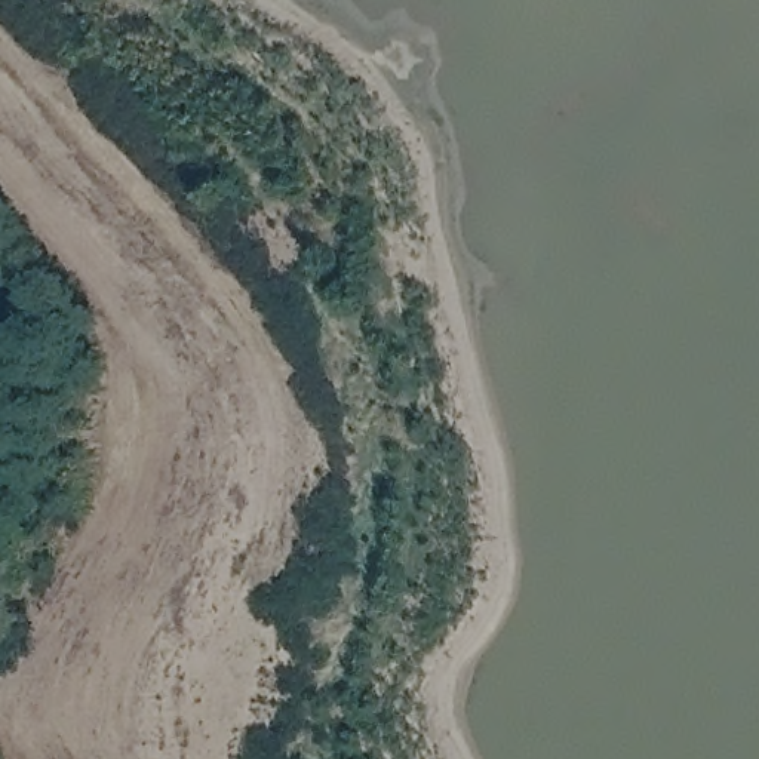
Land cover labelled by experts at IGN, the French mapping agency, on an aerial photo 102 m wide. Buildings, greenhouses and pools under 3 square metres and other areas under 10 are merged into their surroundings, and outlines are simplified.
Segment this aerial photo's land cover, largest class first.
<instances>
[{"label":"water","instance_id":"1","mask_svg":"<svg viewBox=\"0 0 759 759\"><path fill-rule=\"evenodd\" d=\"M371 21H380L388 12L403 9L415 24L436 33L442 50L436 86L457 133L460 166L465 181V205L460 216L463 240L468 252L492 270V285L483 288L480 314L471 326V335L510 465L519 575L510 611L498 626L495 637L477 655L465 694V735L477 759H759V0H353Z\"/></svg>","mask_w":759,"mask_h":759},{"label":"plowed land","instance_id":"2","mask_svg":"<svg viewBox=\"0 0 759 759\"><path fill-rule=\"evenodd\" d=\"M6 193L12 199L15 211L27 216L33 234L47 246V252L56 255L59 264L80 279L92 302V338L104 356L101 388L107 394L110 454L104 460V477L92 489V510L80 522L77 534L59 543L53 584L42 596V605L27 611L30 652L18 658L15 670L0 676V759H237L246 726L273 720L282 700V691L276 688V667L288 664L291 655L285 646H279L273 626L252 617L249 593L252 587L270 581L276 572L285 569V560L296 537L294 501L317 486L314 468L329 465L326 448L320 442V433L311 427L305 412L294 400V391L288 385L291 365L267 335L261 314L252 308L249 294L228 270H222L213 261L202 240L181 222L172 202L151 181H145V175L127 160V154H122L107 136H101L92 127V122L74 101L68 77L53 65L33 59L0 27V196Z\"/></svg>","mask_w":759,"mask_h":759},{"label":"deciduous trees","instance_id":"3","mask_svg":"<svg viewBox=\"0 0 759 759\"><path fill-rule=\"evenodd\" d=\"M65 12H83L80 30L86 33V44L74 47L65 42L59 47V62L53 65L68 77L74 65L89 59L127 74L133 92H142L148 101L145 116L154 122L157 139L169 142V163H196L208 178L190 193L196 211L219 208L246 211L249 216L258 213L270 199L288 202L299 193L311 199L320 193L305 175L299 154L294 148L296 130L302 127L299 116L273 101L270 92L261 89L240 65L219 62L213 68L193 59L190 50H181L187 44V33H181L178 27H163L145 12H125L122 6H113L107 0H71L65 3ZM92 302L80 279L59 264L56 255L47 252V246L33 234L27 216L15 211L12 199L6 193L0 196V676L15 670L18 658L30 652L27 611L42 605V596L53 584L59 543L77 534L80 522L92 510V495L83 486L71 483L95 454L80 442V427H86L89 421V415L83 412L86 394L101 388L104 356L92 338ZM377 199L344 196L335 222V243H323L320 237H314V246L308 252L296 249V258L282 270L302 285L314 282L335 317H359L362 338L377 362L380 391L368 397L371 409H382L388 415L403 418L406 406H418L421 385H442L445 362L439 359L433 326L427 320V308L439 302V296L424 282L403 273V311L377 314V299L391 296L388 273L382 264L385 240L377 231ZM418 442V451H403L400 445L382 451V471L374 477L371 489L374 528L365 534H353L356 572L350 575L362 578L359 617L353 620V629L344 640L341 676L335 682L317 685L314 697L302 703L305 717L299 720V732H308L314 744H329L335 759H382L368 750L362 753L356 741L359 732L371 735L394 723V709L377 715L368 703L374 697V667L388 664L397 655V640L380 632L377 623L385 614H397L406 623H415L409 637L421 643L427 652H433L445 640L451 626V590L457 584L471 581V543L477 540V525L468 519V504L477 501V474L471 468L465 439L448 424L433 421V415L421 418L415 427L406 430Z\"/></svg>","mask_w":759,"mask_h":759},{"label":"brushwood","instance_id":"4","mask_svg":"<svg viewBox=\"0 0 759 759\"><path fill-rule=\"evenodd\" d=\"M65 3L71 0H0V27L33 59L53 65L59 62V47L65 42L74 47L86 44V33L80 30L83 12H65ZM113 6H122L125 12H145L163 27H178L181 33H187V44L181 50H190L193 59L213 68L219 62L240 65L261 89L270 92L273 101L299 116L302 127L296 130L294 148L299 154L305 175L320 193L311 199L299 193L288 202L285 228L296 240V249L308 252L314 246V237H320L323 243H335V222L344 196L377 199V231H397L406 222V216L418 208V169L406 154V145L400 142V133L388 125L385 110L377 104V95H368L362 77L347 74L323 44L305 39L291 24L273 21L252 0H107ZM74 101L92 122V127L101 136H107L122 154H127V160L145 175V181H151L172 202L181 222L202 240L213 261L222 270H228L249 294L252 308L261 314L267 335L291 365L288 385L294 391V400L305 412L311 427L320 433V442L326 448L329 465L314 468L317 486L294 501L296 537L285 560V569L276 572L270 581L252 587L249 593L252 617L273 626L279 646H285L291 655L288 664L276 667V688L282 691V700L273 720L246 726L237 759H302L299 753L285 750V744L299 732V720L305 717L302 703L314 697L317 685L314 676L326 664L329 649L311 637V626L314 620H326L335 611L341 599V578L350 575L356 572L353 534V492L347 483V457L353 454V448L341 436V418L347 415V403L335 397V388L326 377V365L320 356V320L302 285L282 270L270 264L267 243L249 228V216L246 211L219 208L196 211L190 193L208 178L196 163H169V142L157 139L154 122L145 116L148 101L142 92H133L127 74L89 59L74 65L68 77ZM474 581H486V569L471 566V581L457 584L451 590V626H457L460 617L471 608ZM380 632L397 640V655L388 664L374 667V697L368 703L377 715L394 709V723L371 735L359 732L356 741L362 753L368 750L382 759H415L427 738V706L415 700V694H421L424 688L427 652L421 643L409 637L415 623H406L397 614H385L377 623Z\"/></svg>","mask_w":759,"mask_h":759},{"label":"bare soil","instance_id":"5","mask_svg":"<svg viewBox=\"0 0 759 759\"><path fill-rule=\"evenodd\" d=\"M273 21L291 24L305 39L323 44L347 74L362 77L368 95H377V104L385 110L388 125L400 133V142L406 145V154L418 169V208L406 216V222L397 231H377L385 240L382 264L388 273H403L424 282L439 296V302L427 308V320L433 326L439 359L445 362L442 385L448 397V424L465 439L471 468L477 474V501L468 504V519L477 525V540L471 543V566L486 569V581H474L471 608L460 617L457 626H451L445 640L433 652H427L424 688L421 694H415V700L427 706V738L415 759H477L465 735V694L477 655L495 637L498 626L510 611L519 575L510 465L471 335V326L480 314L483 288L492 285V270L468 252L463 240L460 216L465 205V181L460 166L457 133L436 86L442 50L436 33L415 24L403 9L388 12L380 21H371L353 0H252Z\"/></svg>","mask_w":759,"mask_h":759},{"label":"herbaceous vegetation","instance_id":"6","mask_svg":"<svg viewBox=\"0 0 759 759\"><path fill-rule=\"evenodd\" d=\"M288 202L270 199L258 213L249 216V228L267 243L270 264L282 270L296 258V240L285 228ZM403 273H388L391 296L377 299V314L403 311ZM320 320V356L326 365V377L335 388V397L347 403V415L341 418V436L353 448V454L347 457V483L353 492V534H365L374 528L371 489L374 477L382 471V451L400 445L403 451H418V442L406 430L415 427L421 418L433 415V421L448 424V397L442 385H421L418 406H406L403 418L388 415L382 409H371L368 397L380 391L377 362L362 338L359 317H335L314 282L302 285ZM83 412L89 415V421L86 427H80V442L95 454L71 483L83 486L92 495V489L104 477V460L110 454L107 394L101 388L86 394ZM362 578L350 575L341 578V599L335 611L326 620H314L311 626V637L329 649L326 664L314 676L317 685L335 682L341 676L344 640L353 629V620L359 617ZM285 750L299 753L302 759H335L329 744H314L308 732H299L285 744Z\"/></svg>","mask_w":759,"mask_h":759}]
</instances>
